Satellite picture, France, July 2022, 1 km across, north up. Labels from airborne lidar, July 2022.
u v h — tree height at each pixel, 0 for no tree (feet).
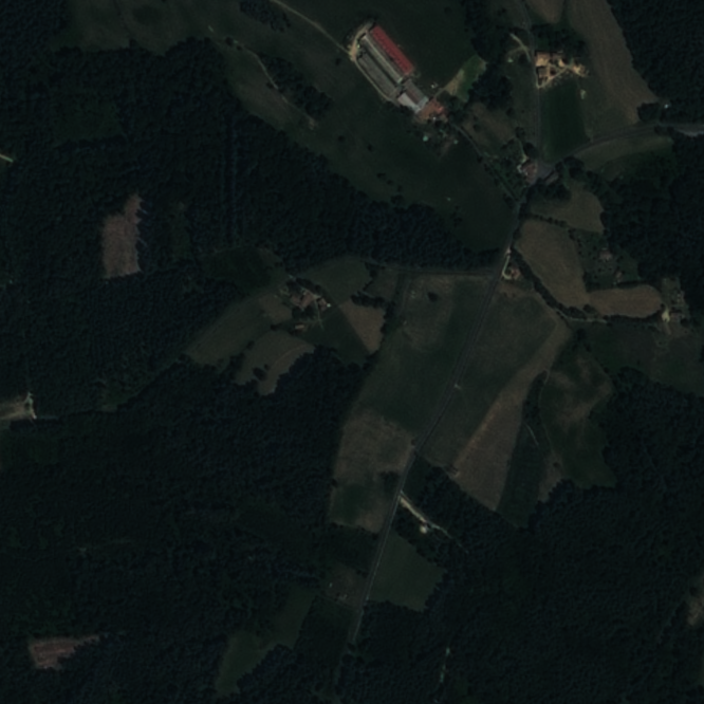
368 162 0
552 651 64
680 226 80
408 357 0
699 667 52
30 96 74
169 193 106
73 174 77
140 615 53
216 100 113
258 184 102
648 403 66
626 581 52
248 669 0
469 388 0
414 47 0
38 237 76
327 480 67
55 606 23
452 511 53
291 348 0
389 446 0
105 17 0
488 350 0
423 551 33
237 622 39
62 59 68
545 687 52
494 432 0
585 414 0
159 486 63
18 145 66
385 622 64
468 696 28
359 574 26
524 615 74
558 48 50
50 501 26
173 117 96
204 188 72
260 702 62
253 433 83
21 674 57
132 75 59
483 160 33
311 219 79
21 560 20
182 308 72
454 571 51
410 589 0
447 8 25
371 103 0
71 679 47
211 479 54
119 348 59
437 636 65
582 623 53
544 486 0
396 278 0
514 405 0
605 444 0
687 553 44
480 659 69
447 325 0
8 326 65
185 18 0
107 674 85
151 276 49
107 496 22
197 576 80
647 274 46
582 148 0
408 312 0
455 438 0
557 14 0
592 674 84
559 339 0
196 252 56
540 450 0
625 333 0
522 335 0
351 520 0
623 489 84
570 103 0
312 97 68
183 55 70
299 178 90
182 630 71
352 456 0
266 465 64
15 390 64
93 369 49
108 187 93
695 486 92
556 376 0
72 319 58
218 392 91
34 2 126
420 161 0
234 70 0
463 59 0
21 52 115
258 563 42
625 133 0
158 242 84
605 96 0
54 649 0
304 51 0
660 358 0
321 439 60
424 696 75
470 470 0
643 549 66
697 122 52
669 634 75
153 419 69
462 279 0
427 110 0
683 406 50
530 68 0
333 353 41
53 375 70
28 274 80
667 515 84
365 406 0
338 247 49
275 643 0
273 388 0
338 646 26
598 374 0
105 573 63
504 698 32
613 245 46
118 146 86
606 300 0
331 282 0
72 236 78
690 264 100
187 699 53
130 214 0
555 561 77
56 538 22
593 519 76
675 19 33
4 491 21
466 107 21
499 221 0
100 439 51
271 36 0
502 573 55
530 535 72
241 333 0
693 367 0
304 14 0
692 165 48
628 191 56
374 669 80
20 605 22
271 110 0
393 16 0
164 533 24
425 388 0
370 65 0
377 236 106
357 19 0
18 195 71
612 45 0
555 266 0
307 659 71
